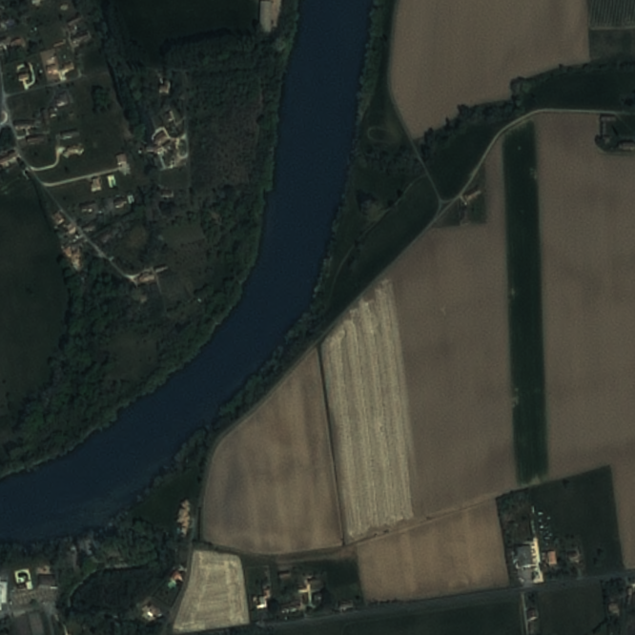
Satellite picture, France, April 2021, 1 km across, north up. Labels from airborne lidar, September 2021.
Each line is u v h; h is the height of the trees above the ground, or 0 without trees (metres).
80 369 14
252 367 0
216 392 0
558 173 0
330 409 0
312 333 14
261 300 0
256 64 13
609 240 0
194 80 10
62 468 0
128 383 8
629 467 0
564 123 0
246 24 0
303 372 0
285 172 0
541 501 0
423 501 0
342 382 0
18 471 14
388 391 0
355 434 0
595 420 0
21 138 0
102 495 0
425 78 0
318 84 0
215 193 10
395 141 0
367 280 0
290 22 21
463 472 0
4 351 0
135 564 8
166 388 0
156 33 0
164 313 17
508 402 0
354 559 0
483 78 0
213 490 0
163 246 7
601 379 0
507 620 0
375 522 0
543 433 0
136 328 11
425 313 0
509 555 6
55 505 0
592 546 0
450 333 0
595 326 0
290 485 0
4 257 0
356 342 0
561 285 0
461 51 0
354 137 8
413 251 0
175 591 9
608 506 0
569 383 0
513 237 0
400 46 0
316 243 0
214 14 0
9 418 0
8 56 13
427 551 0
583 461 0
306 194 0
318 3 0
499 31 0
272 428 0
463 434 0
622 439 0
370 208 36
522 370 0
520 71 0
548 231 0
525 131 0
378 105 0
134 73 34
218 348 0
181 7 0
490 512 0
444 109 0
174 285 0
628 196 0
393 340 0
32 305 0
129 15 0
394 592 0
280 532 0
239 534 0
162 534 11
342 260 0
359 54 0
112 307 25
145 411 0
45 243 0
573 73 8
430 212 0
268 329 0
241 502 0
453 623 0
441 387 0
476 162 0
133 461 0
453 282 0
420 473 0
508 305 0
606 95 0
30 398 14
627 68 15
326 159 0
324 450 0
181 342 16
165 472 10
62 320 0
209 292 12
